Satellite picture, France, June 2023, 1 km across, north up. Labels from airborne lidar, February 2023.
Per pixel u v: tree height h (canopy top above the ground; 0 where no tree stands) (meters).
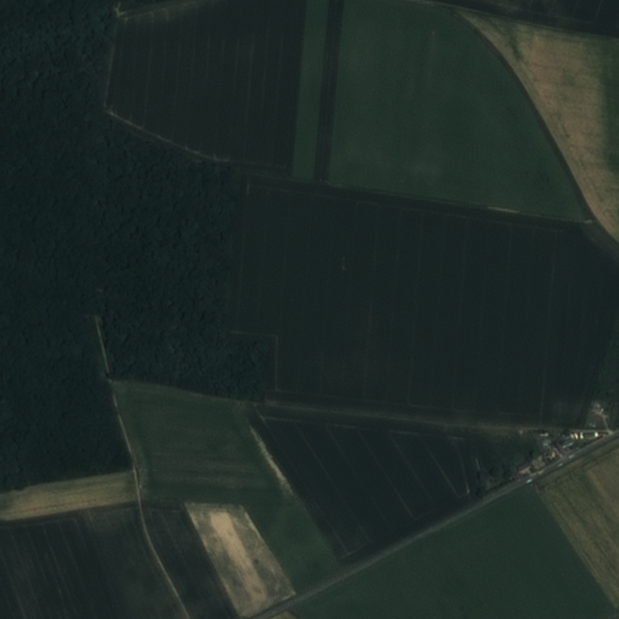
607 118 0
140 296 21
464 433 0
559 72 0
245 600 0
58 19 16
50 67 19
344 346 0
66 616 0
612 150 0
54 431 26
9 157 24
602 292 0
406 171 0
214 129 0
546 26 0
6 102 21
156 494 0
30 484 16
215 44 0
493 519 0
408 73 0
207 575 0
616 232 0
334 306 0
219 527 0
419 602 0
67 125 22
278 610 0
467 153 0
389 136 0
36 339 25
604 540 0
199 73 0
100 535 0
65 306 20
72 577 0
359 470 0
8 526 0
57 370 24
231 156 0
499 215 0
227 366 23
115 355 24
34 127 26
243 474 0
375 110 0
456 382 0
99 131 24
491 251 0
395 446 0
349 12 0
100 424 21
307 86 0
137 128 0
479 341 0
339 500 0
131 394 0
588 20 0
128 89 0
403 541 0
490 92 0
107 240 24
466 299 0
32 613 0
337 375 0
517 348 0
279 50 0
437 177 0
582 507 0
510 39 0
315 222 0
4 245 27
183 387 16
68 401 24
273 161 0
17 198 23
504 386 0
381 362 0
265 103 0
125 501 0
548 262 0
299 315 0
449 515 0
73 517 0
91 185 28
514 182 0
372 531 0
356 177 0
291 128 0
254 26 0
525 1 0
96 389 23
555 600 0
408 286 0
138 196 21
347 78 0
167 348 23
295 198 0
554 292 0
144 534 0
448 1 0
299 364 0
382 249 0
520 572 0
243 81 0
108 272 22
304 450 0
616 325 0
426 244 0
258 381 19
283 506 0
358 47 0
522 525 0
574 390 0
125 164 24
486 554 0
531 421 0
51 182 24
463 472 0
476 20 0
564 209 0
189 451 0
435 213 0
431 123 0
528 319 0
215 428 0
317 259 0
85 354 20
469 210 0
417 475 0
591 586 0
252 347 9
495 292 0
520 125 0
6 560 0
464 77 0
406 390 0
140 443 0
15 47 22
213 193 23
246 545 0
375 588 0
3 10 26
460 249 0
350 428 0
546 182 0
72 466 11
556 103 0
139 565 0
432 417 0
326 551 0
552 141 0
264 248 0
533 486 0
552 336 0
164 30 0
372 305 0
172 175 21
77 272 24
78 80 25
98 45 22
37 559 0
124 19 0
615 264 0
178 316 11
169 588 0
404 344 0
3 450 22
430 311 0
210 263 20
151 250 23
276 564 0
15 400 23
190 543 0
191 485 0
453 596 0
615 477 0
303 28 0
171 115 0
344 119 0
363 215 0
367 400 0
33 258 28
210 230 21
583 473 0
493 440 0
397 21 0
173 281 23
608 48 0
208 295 22
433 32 0
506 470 7
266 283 0
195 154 0
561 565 0
